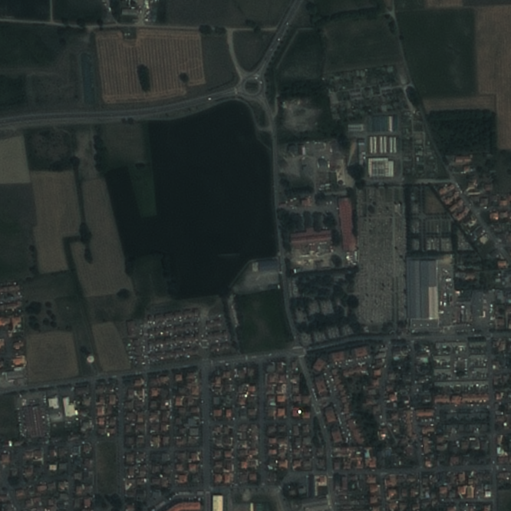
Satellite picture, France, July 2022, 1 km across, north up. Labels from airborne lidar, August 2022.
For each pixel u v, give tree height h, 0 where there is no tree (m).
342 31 0
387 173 0
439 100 0
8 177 0
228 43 0
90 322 0
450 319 0
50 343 0
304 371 0
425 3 0
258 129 0
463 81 0
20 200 0
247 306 0
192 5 0
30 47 0
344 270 10
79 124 0
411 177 0
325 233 0
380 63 0
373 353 7
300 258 0
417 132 0
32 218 0
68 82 0
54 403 0
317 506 0
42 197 0
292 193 14
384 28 0
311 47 0
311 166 0
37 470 0
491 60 0
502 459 0
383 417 0
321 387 0
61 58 0
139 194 0
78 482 6
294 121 0
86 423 0
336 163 0
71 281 0
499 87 0
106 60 0
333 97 0
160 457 0
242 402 0
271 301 0
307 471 0
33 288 0
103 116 0
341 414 0
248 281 0
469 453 10
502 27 0
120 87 0
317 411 0
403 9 0
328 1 0
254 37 0
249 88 0
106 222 0
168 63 0
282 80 0
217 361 0
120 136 0
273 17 0
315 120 0
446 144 6
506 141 0
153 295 0
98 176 0
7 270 0
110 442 0
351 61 0
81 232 15
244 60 0
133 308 0
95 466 0
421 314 0
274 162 0
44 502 0
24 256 0
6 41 0
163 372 8
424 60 0
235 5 0
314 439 8
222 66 0
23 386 0
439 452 8
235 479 0
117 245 0
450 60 0
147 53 0
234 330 8
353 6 0
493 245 0
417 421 8
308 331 12
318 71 0
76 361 0
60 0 0
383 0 13
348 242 0
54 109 0
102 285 0
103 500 10
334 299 16
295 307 12
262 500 0
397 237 0
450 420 6
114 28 0
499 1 0
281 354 0
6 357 0
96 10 0
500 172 0
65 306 0
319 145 0
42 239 0
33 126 0
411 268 0
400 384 7
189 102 0
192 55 0
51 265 0
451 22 0
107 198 0
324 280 14
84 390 0
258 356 0
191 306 0
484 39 0
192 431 0
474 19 0
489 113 12
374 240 0
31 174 0
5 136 0
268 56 0
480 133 9
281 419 0
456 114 16
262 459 0
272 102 0
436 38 0
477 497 0
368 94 0
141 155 0
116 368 0
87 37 0
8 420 0
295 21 0
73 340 0
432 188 8
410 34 0
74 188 0
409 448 0
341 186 0
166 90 0
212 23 0
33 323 10
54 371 0
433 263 0
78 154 0
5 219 0
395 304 0
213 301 0
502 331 7
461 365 0
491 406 0
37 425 0
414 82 0
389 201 0
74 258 0
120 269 0
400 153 0
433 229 0
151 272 0
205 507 0
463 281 10
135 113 0
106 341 0
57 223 0
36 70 0
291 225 15
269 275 0
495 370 0
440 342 0
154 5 0
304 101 0
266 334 0
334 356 0
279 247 0
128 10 0
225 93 0
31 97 0
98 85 0
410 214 12
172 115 0
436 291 0
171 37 0
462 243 0
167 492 7
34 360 0
